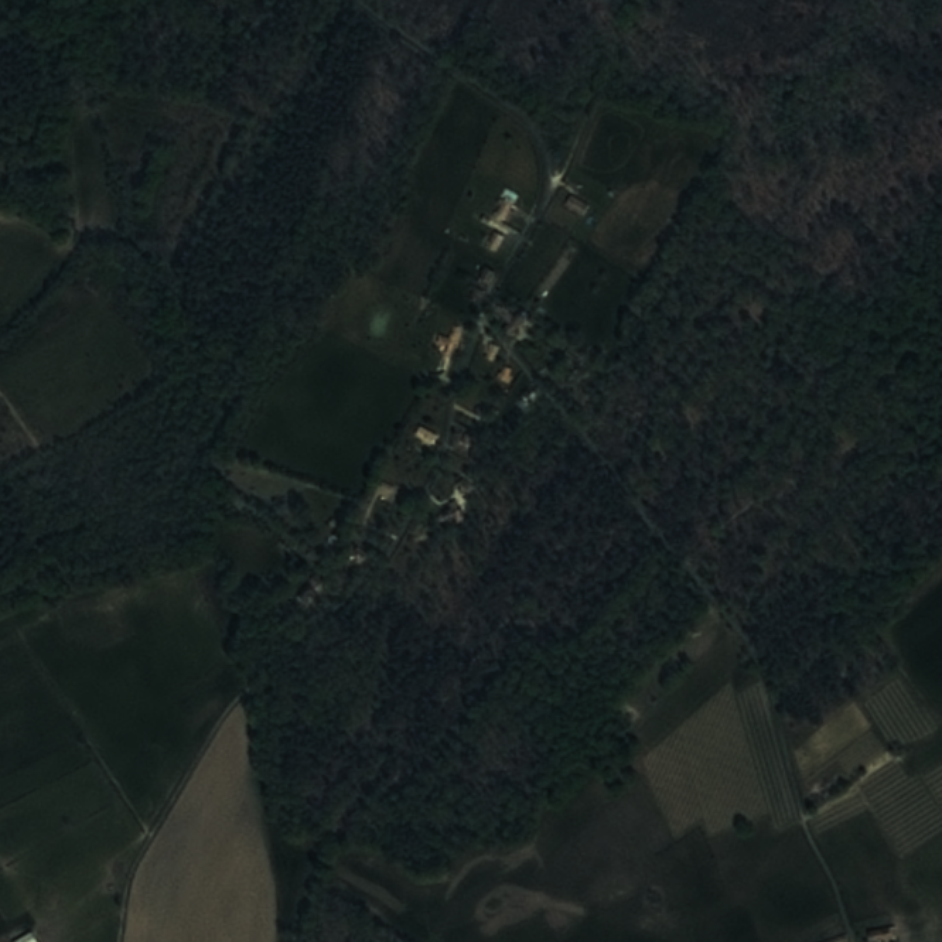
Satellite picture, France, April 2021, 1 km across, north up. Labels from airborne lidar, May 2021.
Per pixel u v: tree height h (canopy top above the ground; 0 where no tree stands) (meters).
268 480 0
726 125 25
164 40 11
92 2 21
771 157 20
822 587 24
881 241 17
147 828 0
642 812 0
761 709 0
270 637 21
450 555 16
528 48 9
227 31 19
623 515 21
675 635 21
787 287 21
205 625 0
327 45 17
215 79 18
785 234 17
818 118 19
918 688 0
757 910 0
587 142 0
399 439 9
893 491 20
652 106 24
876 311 21
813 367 16
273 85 22
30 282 0
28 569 21
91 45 23
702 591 15
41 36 18
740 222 14
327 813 22
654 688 0
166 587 0
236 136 8
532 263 0
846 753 0
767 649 23
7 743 0
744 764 0
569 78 17
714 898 0
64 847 0
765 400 15
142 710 0
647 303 18
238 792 0
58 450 10
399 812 22
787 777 0
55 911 0
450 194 0
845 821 0
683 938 0
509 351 0
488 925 0
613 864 0
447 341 0
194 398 12
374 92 16
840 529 26
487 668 25
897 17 22
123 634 0
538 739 24
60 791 0
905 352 18
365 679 18
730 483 14
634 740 12
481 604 20
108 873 0
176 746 0
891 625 19
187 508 23
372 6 15
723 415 18
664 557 19
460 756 21
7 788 0
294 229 7
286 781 19
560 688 25
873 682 18
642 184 0
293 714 18
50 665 0
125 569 23
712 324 15
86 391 0
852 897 0
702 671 0
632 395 10
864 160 11
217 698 0
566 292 0
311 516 23
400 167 20
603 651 20
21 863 0
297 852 0
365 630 21
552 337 11
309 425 0
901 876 0
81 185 0
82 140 0
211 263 25
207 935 0
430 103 18
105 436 11
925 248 26
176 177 9
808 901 0
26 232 0
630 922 0
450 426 0
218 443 20
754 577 13
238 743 0
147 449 10
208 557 22
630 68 19
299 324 17
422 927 0
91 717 0
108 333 0
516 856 0
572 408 17
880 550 26
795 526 15
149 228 7
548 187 0
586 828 0
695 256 21
